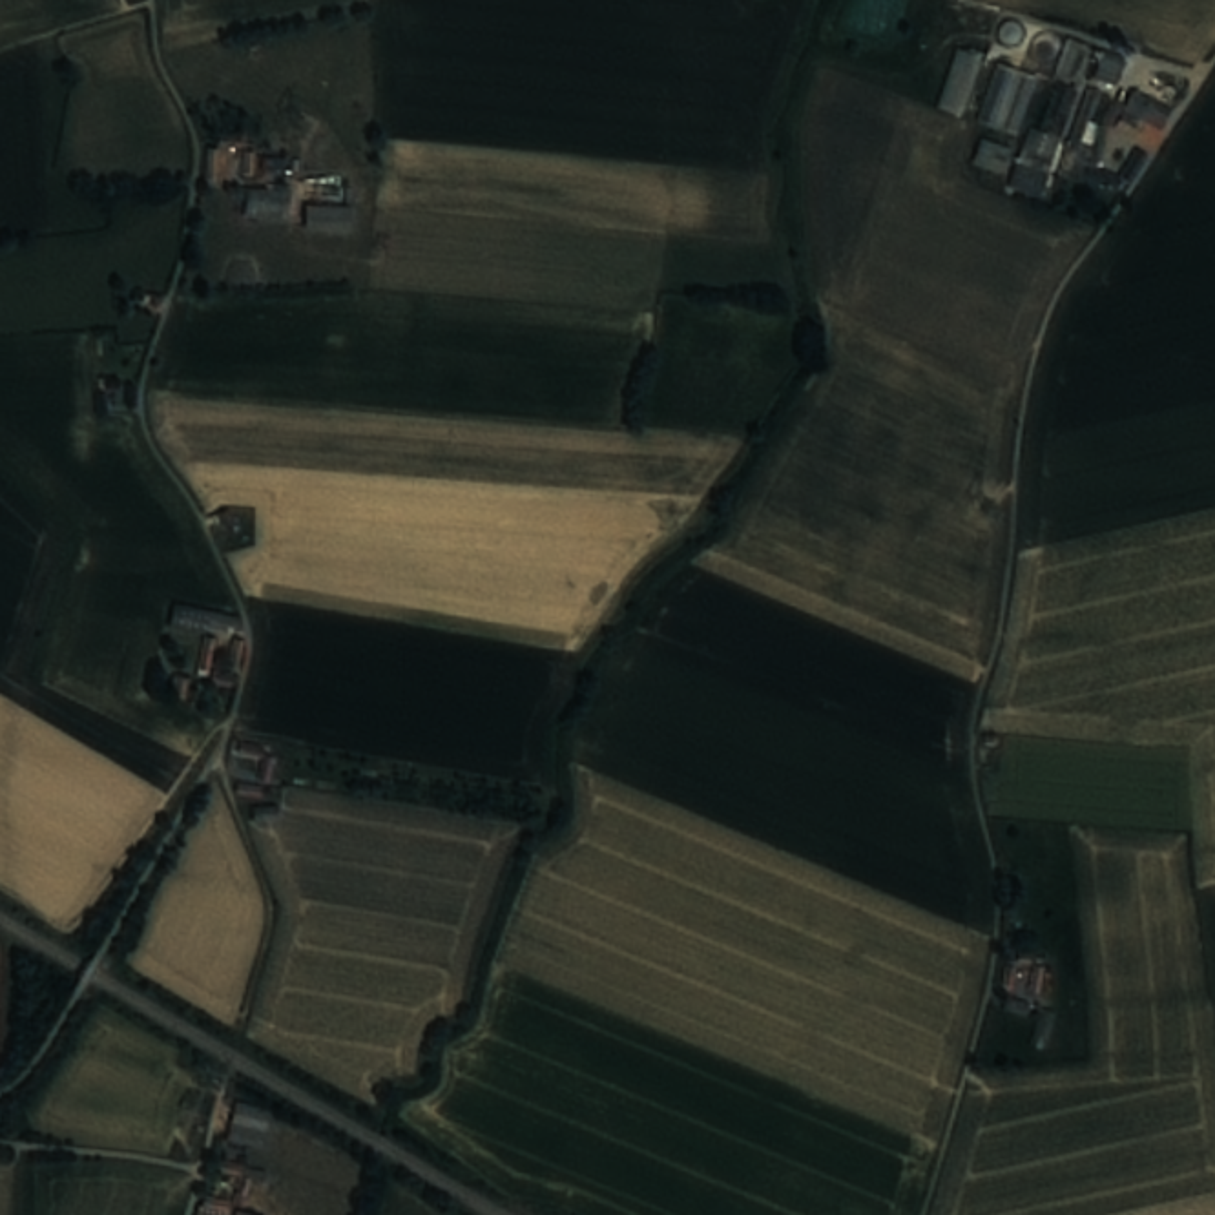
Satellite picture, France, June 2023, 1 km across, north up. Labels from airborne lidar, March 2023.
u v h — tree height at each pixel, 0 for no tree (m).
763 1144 0
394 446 0
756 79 0
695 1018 0
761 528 0
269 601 0
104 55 0
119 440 0
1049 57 0
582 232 0
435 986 0
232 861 0
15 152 0
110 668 0
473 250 0
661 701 0
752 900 0
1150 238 0
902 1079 0
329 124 0
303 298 0
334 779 0
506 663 0
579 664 0
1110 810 0
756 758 0
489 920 0
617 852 0
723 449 0
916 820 0
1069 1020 0
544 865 0
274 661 0
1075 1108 0
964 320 0
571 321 0
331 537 0
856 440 0
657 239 0
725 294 7
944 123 0
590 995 0
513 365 0
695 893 0
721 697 0
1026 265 0
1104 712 0
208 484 0
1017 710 0
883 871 0
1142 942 0
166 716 0
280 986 0
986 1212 0
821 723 0
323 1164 0
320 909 0
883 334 0
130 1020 0
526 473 0
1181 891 0
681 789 0
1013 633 0
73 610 0
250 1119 0
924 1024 0
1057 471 0
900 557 0
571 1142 0
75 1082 0
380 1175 17
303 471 0
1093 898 0
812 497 0
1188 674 0
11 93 0
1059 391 0
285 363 0
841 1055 0
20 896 0
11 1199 0
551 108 0
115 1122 0
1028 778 0
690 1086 0
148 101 0
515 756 0
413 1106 0
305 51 0
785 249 0
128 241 0
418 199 0
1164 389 0
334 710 0
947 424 0
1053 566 0
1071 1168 0
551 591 0
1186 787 0
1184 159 0
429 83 0
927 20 0
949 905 0
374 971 0
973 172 0
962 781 0
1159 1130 0
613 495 0
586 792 0
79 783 0
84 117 0
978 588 0
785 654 0
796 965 0
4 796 0
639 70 0
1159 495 0
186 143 0
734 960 0
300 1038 0
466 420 0
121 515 0
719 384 0
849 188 0
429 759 0
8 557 0
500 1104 0
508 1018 0
